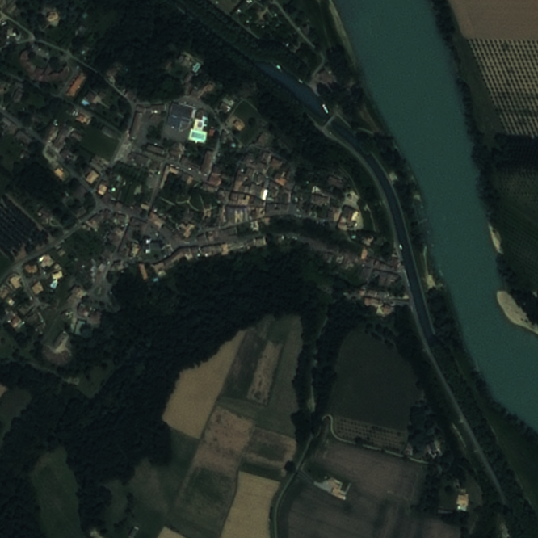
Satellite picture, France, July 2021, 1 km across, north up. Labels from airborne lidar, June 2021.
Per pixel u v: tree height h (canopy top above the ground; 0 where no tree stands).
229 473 0
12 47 17
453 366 33
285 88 27
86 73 7
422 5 0
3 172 8
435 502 10
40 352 9
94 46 6
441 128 0
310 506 0
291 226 14
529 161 26
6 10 0
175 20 11
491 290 0
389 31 0
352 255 0
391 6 0
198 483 0
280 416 0
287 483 0
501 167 21
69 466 17
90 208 6
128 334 24
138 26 22
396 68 0
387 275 0
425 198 0
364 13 0
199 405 0
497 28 0
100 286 0
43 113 12
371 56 0
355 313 8
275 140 10
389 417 0
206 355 16
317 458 0
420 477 0
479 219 0
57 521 0
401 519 0
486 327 0
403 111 0
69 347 0
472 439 0
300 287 18
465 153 0
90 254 7
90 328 18
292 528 0
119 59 13
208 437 0
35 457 7
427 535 0
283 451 0
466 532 18
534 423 0
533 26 0
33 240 15
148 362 15
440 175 0
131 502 21
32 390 9
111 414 20
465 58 0
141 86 14
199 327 37
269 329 0
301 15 13
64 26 12
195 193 13
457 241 0
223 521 0
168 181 11
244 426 0
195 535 0
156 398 18
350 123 6
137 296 18
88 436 20
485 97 0
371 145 33
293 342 0
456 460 10
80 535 0
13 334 17
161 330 29
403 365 0
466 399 35
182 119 0
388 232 9
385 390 0
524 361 0
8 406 0
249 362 0
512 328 0
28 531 30
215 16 38
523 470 0
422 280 0
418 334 0
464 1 0
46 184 14
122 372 18
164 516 0
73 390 9
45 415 27
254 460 0
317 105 0
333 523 0
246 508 0
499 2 0
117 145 0
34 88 10
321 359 17
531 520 38
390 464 0
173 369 21
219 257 14
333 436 0
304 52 7
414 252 0
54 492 0
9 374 26
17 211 17
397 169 10
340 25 0
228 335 15
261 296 19
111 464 25
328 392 15
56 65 13
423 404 9
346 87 34
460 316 0
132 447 23
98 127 7
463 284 0
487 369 0
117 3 15
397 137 0
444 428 9
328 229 12
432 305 25
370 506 0
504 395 0
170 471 0
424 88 0
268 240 10
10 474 19
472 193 0
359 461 0
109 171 8
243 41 39
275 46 32
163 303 38
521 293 17
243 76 25
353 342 0
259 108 9
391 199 0
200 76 11
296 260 14
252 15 7
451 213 0
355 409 0
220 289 24
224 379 0
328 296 0
